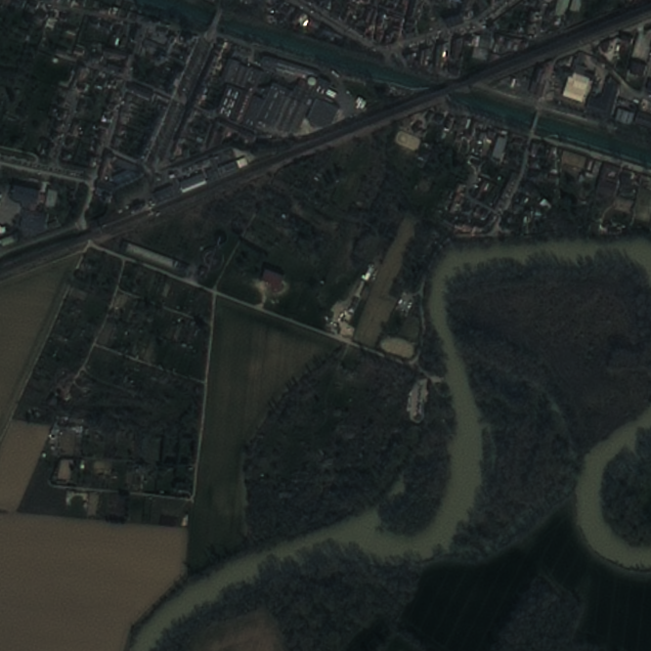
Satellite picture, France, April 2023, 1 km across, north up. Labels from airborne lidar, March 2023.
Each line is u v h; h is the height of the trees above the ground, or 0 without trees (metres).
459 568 0
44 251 0
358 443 12
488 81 0
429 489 25
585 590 0
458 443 0
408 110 0
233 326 0
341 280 0
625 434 0
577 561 0
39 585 0
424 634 0
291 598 34
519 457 30
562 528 0
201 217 7
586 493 0
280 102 0
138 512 0
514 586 0
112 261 0
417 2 0
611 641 0
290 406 14
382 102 18
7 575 0
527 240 13
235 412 0
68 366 0
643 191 0
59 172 0
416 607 0
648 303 27
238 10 17
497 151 0
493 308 8
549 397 19
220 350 0
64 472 0
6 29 6
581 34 0
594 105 0
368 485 19
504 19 10
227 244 0
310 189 10
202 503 0
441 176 6
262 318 0
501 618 0
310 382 15
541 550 0
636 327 14
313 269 0
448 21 0
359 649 0
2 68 8
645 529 30
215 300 0
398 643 0
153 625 0
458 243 18
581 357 10
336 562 33
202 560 0
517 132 14
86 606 0
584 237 15
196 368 0
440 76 13
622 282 13
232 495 0
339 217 0
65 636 0
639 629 0
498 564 0
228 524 0
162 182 0
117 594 0
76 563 0
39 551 0
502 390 8
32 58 6
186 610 0
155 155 8
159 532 0
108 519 7
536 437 33
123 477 0
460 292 22
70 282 10
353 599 34
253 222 0
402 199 13
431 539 0
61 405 11
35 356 0
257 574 0
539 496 34
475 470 0
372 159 0
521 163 6
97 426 18
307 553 0
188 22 12
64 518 0
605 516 8
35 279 0
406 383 6
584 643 23
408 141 0
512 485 31
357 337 0
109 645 0
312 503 9
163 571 0
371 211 7
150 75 7
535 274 26
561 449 19
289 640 27
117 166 11
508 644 23
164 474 9
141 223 0
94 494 0
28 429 0
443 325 0
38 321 0
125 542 0
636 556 0
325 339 0
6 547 0
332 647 21
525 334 10
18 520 0
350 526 0
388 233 8
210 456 0
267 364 0
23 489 0
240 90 0
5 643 0
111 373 6
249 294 0
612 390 7
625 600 0
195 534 0
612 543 0
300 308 0
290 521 13
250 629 0
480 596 0
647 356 29
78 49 0
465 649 0
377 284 0
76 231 0
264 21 11
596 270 18
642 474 38
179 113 7
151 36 0
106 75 0
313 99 0
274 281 0
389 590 20
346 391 0
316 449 0
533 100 0
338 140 0
